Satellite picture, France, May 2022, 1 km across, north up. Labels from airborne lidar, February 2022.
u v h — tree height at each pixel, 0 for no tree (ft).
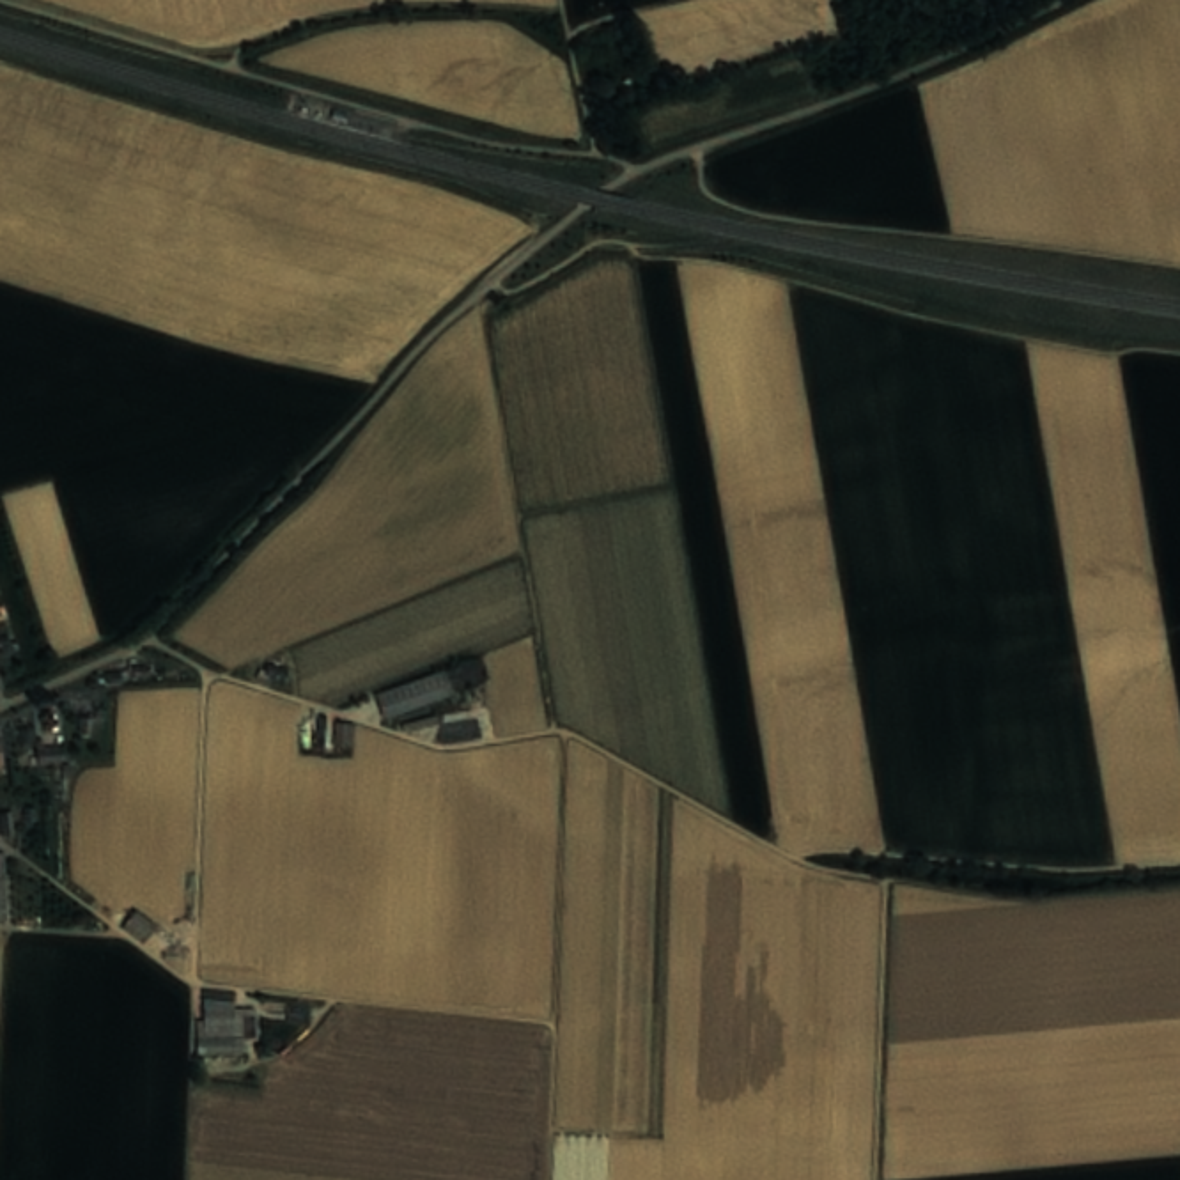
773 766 0
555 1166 0
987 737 0
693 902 0
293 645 0
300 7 0
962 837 0
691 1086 0
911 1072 0
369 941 0
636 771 0
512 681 0
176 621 48
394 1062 0
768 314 0
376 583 0
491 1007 0
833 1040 0
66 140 0
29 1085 0
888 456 0
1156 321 0
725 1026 0
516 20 0
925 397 0
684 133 0
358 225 0
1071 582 0
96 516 0
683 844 0
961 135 0
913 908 0
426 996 0
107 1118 0
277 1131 0
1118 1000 0
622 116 69
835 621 0
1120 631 0
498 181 0
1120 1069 0
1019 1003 0
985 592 0
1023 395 0
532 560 0
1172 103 0
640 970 0
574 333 0
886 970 0
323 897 0
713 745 0
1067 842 0
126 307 0
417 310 0
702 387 0
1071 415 0
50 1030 0
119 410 0
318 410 0
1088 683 0
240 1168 0
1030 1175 0
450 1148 0
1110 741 0
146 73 0
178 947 0
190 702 0
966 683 0
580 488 0
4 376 0
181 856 0
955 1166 0
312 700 0
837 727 0
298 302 0
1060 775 0
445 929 0
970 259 0
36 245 0
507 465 0
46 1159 0
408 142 0
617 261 0
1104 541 0
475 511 0
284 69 0
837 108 0
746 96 0
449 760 0
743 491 0
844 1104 0
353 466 0
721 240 0
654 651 0
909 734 0
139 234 0
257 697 0
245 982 0
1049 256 0
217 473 0
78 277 0
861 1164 0
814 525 0
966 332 0
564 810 0
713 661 0
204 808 0
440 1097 0
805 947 0
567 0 0
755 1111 0
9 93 0
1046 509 0
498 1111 0
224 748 0
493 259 0
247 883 0
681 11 0
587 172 0
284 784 0
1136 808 0
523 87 0
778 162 0
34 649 0
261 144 0
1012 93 0
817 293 0
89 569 0
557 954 0
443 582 0
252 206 0
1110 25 0
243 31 0
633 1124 0
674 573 0
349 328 0
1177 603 0
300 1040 0
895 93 0
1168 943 0
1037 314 0
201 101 0
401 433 0
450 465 0
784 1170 0
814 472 0
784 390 0
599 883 0
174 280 0
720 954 0
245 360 0
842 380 0
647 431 0
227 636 0
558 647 0
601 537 0
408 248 0
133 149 0
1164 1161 0
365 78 0
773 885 0
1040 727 0
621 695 0
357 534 0
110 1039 0
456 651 0
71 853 0
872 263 0
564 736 0
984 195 0
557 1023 0
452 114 0
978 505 0
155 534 0
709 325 0
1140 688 0
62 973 0
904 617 0
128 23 0
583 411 0
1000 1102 0
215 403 0
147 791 0
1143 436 0
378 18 46
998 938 0
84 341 0
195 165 0
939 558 0
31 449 0
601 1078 0
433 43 0
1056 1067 0
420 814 0
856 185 0
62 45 0
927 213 0
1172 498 0
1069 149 0
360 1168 0
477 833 0
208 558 24
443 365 0
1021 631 0
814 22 0
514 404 0
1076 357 0
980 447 0
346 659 0
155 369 0
